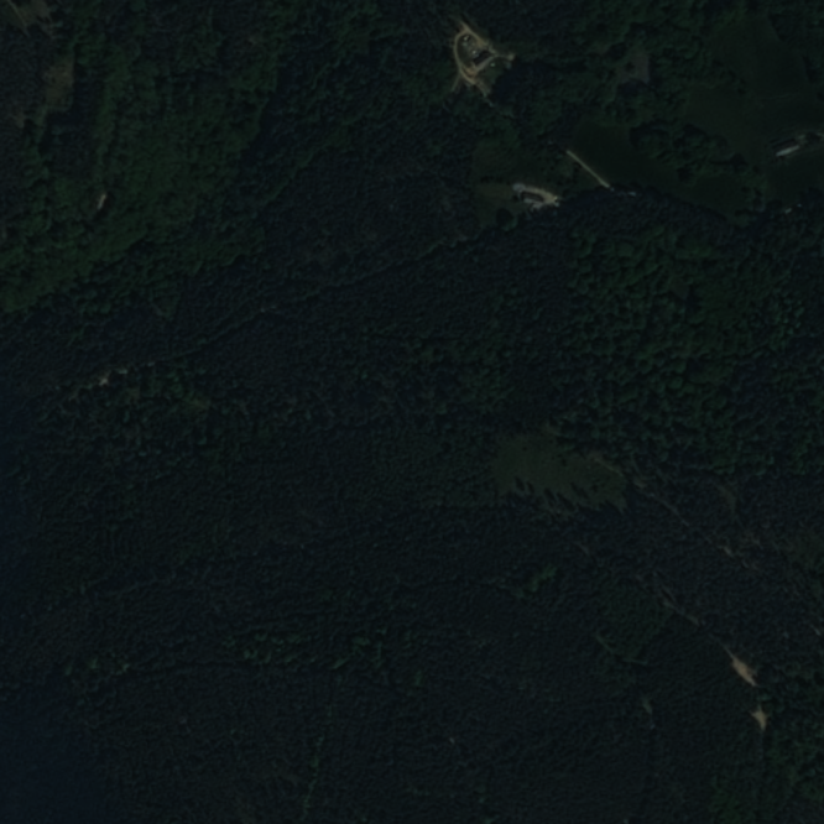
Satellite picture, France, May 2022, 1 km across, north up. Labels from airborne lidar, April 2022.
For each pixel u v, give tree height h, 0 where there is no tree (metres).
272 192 23
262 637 25
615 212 27
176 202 25
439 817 21
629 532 37
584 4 28
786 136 0
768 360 16
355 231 27
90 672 34
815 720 29
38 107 20
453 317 21
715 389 10
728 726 20
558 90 25
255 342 28
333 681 23
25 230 18
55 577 15
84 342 31
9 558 29
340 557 29
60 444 8
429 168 28
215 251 27
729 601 30
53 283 17
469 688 29
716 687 22
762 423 8
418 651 25
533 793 22
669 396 22
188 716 21
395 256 26
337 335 21
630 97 25
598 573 28
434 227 27
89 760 27
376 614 22
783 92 0
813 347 28
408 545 24
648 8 34
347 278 25
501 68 0
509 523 27
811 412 26
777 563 34
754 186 12
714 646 20
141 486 27
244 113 25
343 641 10
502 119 24
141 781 17
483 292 21
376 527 27
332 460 27
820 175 0
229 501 18
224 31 32
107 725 25
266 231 26
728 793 18
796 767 8
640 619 34
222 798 21
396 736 26
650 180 0
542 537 24
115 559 22
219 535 25
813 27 25
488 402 23
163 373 26
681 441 15
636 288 18
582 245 21
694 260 9
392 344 22
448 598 21
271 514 27
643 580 32
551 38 30
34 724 30
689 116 0
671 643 21
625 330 9
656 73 16
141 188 24
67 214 11
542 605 26
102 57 28
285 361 23
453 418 26
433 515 29
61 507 10
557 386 14
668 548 31
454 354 16
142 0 29
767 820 24
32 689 26
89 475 19
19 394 24
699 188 0
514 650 24
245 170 23
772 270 28
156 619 28
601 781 25
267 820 15
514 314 19
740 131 0
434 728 29
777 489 27
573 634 26
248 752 19
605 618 29
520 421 17
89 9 27
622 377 11
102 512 20
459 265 25
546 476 0
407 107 28
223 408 25
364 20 19
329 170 26
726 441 19
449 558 24
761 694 17
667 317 18
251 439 21
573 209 30
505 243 22
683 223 27
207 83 32
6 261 12
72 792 26
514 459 0
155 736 13
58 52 20
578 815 25
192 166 18
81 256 29
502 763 30
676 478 26
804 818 28
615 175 0
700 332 21
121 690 21
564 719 24
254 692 23
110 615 26
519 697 28
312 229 25
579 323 18
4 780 24
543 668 25
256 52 20
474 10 27
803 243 19
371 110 22
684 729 20
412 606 22
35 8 0
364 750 23
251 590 30
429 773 26
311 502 23
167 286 29
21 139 22
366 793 22
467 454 25
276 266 23
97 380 16
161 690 20
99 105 27
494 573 24
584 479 0
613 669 28
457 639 27
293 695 25
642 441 15
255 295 20
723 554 28
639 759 25
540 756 35
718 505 34
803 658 28
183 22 20
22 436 28
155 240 24
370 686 22
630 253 23
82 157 29
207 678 23
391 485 26
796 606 33
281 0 8
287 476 27
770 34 0
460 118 17
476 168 0
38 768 27
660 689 24
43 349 26
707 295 25
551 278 23
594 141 0
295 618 22
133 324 26
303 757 21
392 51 30
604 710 29
